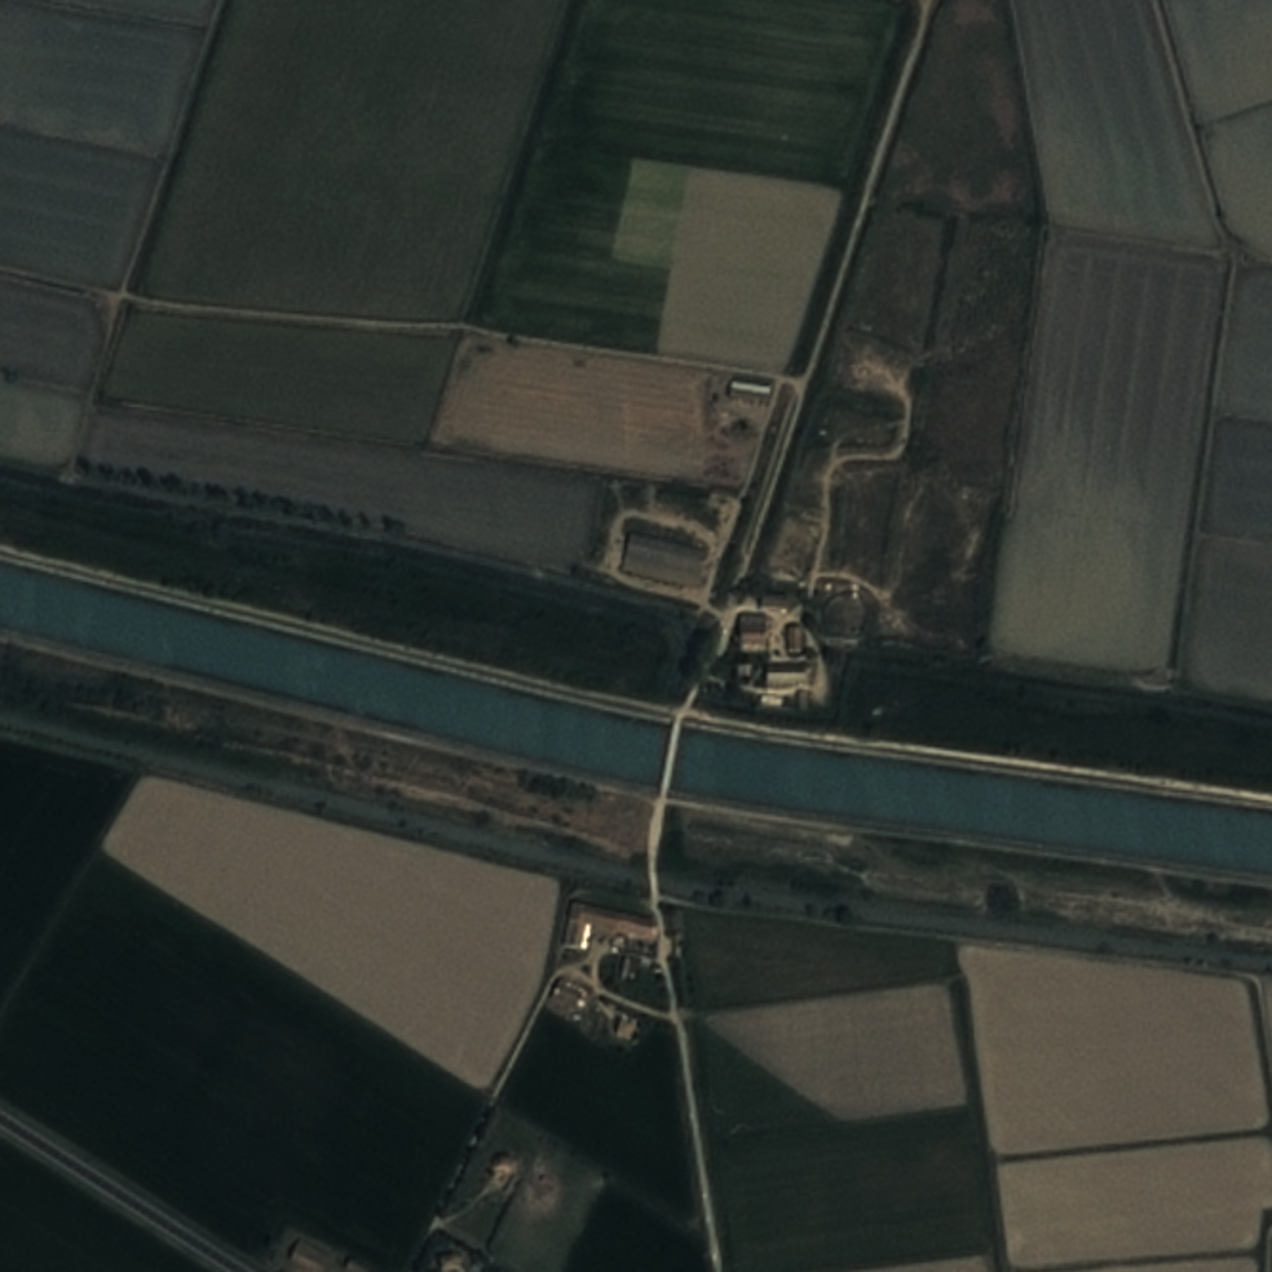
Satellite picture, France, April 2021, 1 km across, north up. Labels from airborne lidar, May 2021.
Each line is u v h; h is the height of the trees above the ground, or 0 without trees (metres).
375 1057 0
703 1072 0
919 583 0
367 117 0
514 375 0
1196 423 0
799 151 0
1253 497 0
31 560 0
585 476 0
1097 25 0
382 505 0
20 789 0
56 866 0
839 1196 0
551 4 0
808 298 0
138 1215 0
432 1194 0
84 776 0
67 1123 0
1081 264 0
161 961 0
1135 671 0
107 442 0
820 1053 0
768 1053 0
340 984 0
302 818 0
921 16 0
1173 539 0
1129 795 0
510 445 0
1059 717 0
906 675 0
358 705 0
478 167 0
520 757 0
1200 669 0
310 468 0
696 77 0
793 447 0
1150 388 0
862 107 0
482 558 0
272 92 0
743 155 0
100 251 0
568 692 0
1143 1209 0
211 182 0
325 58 0
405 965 0
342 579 0
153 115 0
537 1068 0
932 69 0
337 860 0
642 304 0
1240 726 0
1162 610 0
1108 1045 0
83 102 0
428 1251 9
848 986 0
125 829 0
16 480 0
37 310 0
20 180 0
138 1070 0
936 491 0
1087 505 0
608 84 0
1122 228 0
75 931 0
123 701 8
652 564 0
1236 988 0
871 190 0
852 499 0
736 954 0
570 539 0
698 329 0
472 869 0
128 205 0
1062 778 0
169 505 0
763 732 0
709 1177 0
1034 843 0
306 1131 0
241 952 0
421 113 0
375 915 0
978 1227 0
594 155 0
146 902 0
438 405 0
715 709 0
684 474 0
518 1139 0
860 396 0
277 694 0
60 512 0
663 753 0
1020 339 0
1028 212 0
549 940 0
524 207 0
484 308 0
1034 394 0
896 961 0
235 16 0
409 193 0
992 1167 0
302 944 0
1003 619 0
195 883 0
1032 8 0
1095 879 0
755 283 0
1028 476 0
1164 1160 0
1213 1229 0
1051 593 0
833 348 0
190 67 0
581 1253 0
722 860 0
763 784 0
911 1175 0
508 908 0
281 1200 0
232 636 0
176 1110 0
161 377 0
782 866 0
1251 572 0
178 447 0
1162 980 0
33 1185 0
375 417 0
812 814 0
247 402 0
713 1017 0
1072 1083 0
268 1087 0
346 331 0
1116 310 0
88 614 0
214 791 0
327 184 0
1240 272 0
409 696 0
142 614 0
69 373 0
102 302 0
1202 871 0
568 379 0
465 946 0
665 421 0
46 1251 0
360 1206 0
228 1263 0
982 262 0
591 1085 0
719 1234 0
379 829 0
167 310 0
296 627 0
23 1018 0
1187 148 0
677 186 0
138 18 0
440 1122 0
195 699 0
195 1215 0
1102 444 0
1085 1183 0
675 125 0
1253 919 0
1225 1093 0
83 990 0
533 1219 0
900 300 0
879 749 0
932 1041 0
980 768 0
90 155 0
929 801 0
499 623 0
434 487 0
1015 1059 0
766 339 0
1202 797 0
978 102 0
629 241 0
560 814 0
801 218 0
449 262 0
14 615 0
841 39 0
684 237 0
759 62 0
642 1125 0
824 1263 0
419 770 0
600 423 0
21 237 0
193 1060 0
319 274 0
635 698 0
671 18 0
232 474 0
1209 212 0
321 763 0
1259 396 0
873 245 0
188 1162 0
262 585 0
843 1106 0
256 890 0
